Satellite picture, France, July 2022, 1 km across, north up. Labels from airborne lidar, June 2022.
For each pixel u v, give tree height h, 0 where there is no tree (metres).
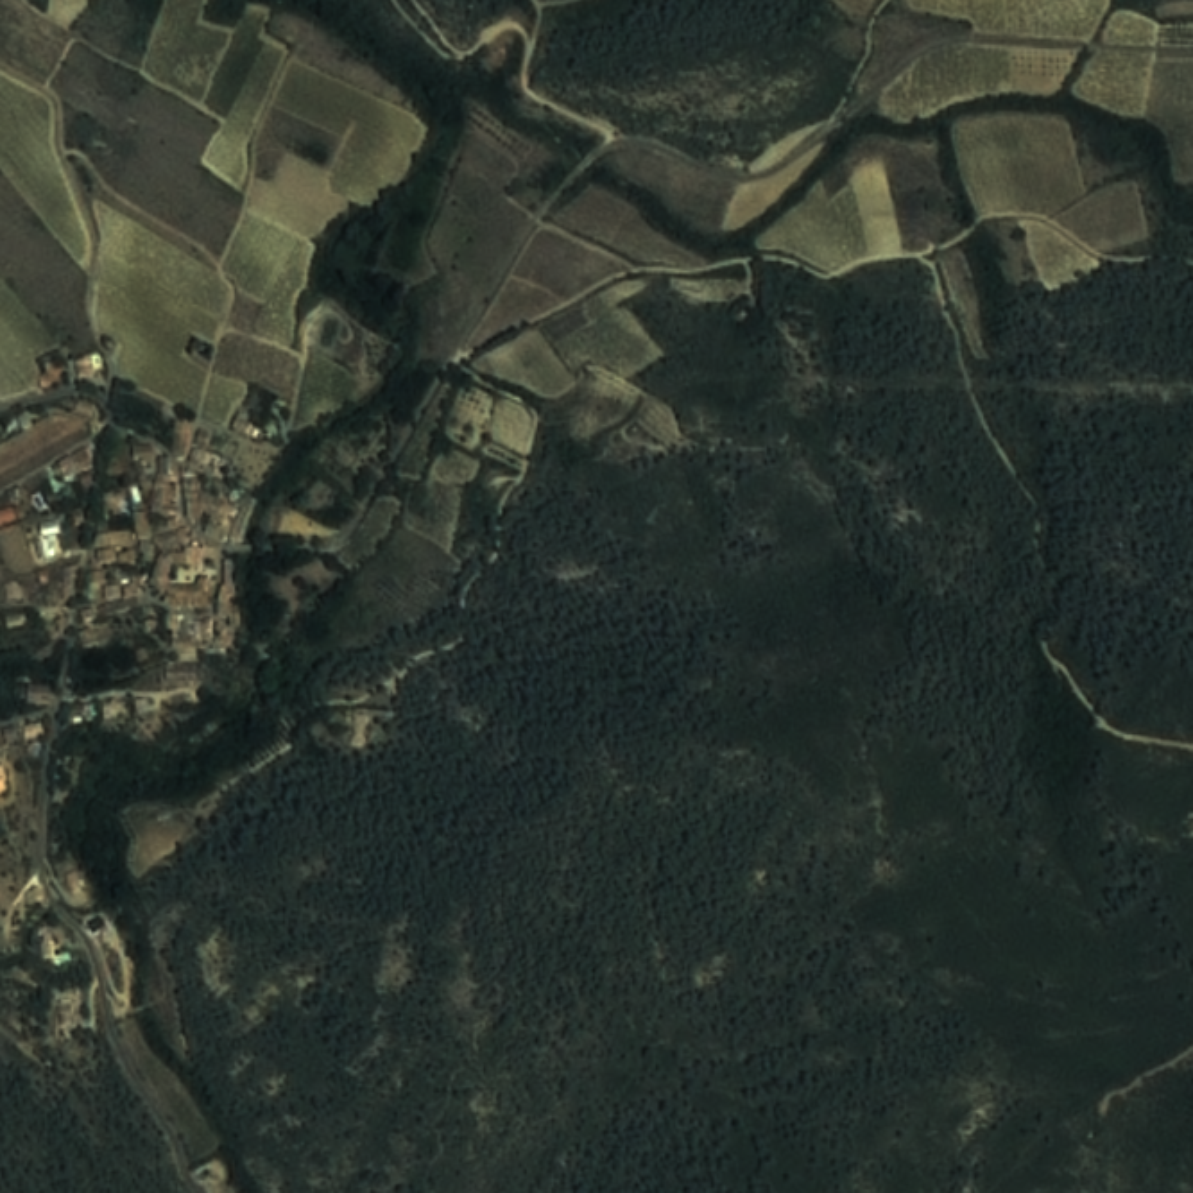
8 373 0
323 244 8
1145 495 11
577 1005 14
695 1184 11
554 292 0
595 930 10
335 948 6
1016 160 0
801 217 0
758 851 11
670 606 11
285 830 10
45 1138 8
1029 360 13
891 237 0
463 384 8
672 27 9
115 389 10
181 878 8
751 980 6
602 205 0
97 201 0
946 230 0
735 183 0
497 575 8
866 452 6
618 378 0
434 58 7
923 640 13
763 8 8
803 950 8
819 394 10
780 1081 10
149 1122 9
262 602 11
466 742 15
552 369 0
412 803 13
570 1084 12
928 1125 6
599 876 13
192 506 0
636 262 0
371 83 0
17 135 0
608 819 13
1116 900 13
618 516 9
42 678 6
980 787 15
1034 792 11
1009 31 0
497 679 17
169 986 0
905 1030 6
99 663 7
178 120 0
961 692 21
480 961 8
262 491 11
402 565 0
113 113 0
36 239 0
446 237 0
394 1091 7
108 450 18
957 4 0
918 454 11
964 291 0
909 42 0
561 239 0
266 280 0
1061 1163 0
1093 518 8
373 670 13
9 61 0
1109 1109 0
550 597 11
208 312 0
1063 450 11
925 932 0
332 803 11
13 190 0
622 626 14
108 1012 0
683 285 0
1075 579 16
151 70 0
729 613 9
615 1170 7
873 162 0
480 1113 0
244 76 0
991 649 14
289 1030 9
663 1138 12
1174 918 10
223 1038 7
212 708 12
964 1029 7
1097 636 10
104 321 0
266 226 0
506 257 0
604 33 7
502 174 0
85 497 12
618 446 0
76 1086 9
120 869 8
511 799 11
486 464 8
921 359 10
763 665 0
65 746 10
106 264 0
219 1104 9
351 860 10
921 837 9
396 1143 0
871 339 11
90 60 0
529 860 10
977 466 8
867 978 9
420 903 10
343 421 11
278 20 0
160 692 0
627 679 13
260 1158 0
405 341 11
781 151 0
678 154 0
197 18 0
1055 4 0
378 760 11
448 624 13
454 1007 0
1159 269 12
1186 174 0
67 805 10
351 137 0
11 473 0
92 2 7
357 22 12
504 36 0
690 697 6
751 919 9
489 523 13
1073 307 8
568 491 9
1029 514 12
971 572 9
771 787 7
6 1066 9
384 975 0
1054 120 0
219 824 14
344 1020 14
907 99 0
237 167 0
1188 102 0
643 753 11
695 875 9
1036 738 18
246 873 6
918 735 14
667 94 0
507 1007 12
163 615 6
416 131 0
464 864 9
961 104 9
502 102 8
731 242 9
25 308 0
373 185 0
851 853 7
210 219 0
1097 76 0
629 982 7
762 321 6
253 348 0
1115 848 14
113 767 6
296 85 0
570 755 9
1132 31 0
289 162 0
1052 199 0
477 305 0
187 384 0
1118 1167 0
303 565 12
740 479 6
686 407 0
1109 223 0
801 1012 7
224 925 8
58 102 0
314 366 0
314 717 10
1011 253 0
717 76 0
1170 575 13
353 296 11
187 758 10
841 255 0
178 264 0
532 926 14
